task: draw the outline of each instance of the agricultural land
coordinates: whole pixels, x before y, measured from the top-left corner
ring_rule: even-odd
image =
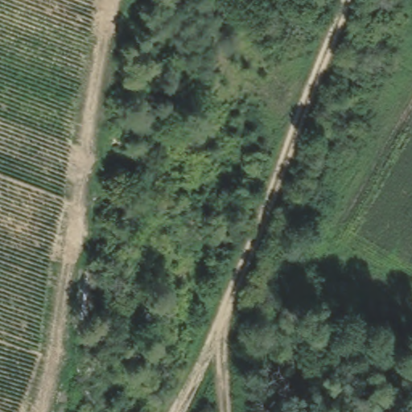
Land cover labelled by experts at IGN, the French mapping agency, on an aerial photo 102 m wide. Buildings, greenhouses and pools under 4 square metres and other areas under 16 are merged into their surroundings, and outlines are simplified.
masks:
[[[338,177],[338,182],[332,185],[336,192],[335,208],[328,208],[327,204],[322,203],[317,209],[322,212],[319,232],[323,240],[320,240],[312,251],[312,254],[320,259],[317,267],[317,274],[320,277],[333,274],[335,277],[344,278],[354,290],[359,291],[370,311],[383,312],[396,320],[401,327],[412,328],[412,82],[399,93],[399,97],[389,106],[385,116],[377,113],[370,121],[372,127],[367,134],[372,138],[369,140],[369,148],[356,150],[354,154],[357,159],[352,171],[343,172]]]

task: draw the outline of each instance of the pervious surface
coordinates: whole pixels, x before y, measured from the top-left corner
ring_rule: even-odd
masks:
[[[74,188],[71,200],[64,200],[61,206],[60,216],[56,219],[55,238],[50,249],[51,261],[61,262],[61,269],[55,288],[47,360],[32,412],[48,412],[51,394],[60,373],[61,357],[64,354],[63,333],[66,330],[68,288],[72,280],[72,269],[79,259],[82,243],[87,238],[85,188],[89,175],[93,172],[93,164],[97,161],[95,116],[100,101],[101,80],[108,58],[109,43],[114,35],[114,16],[119,10],[121,0],[93,0],[93,6],[97,11],[93,13],[92,32],[97,37],[97,42],[93,47],[92,71],[87,85],[79,143],[76,145],[68,140],[66,179],[74,183]]]
[[[335,66],[330,63],[330,58],[333,51],[340,50],[341,43],[348,39],[348,31],[341,26],[344,23],[344,3],[349,0],[340,0],[336,5],[335,18],[323,35],[319,55],[315,58],[314,66],[307,77],[299,98],[301,105],[293,106],[290,111],[293,126],[288,127],[286,132],[282,150],[275,161],[274,172],[270,174],[269,183],[264,190],[264,195],[269,200],[256,212],[256,217],[261,219],[256,237],[253,243],[245,241],[243,245],[246,251],[241,254],[240,266],[233,270],[233,282],[225,286],[216,319],[209,328],[200,357],[196,360],[187,385],[180,389],[169,412],[188,412],[209,362],[216,364],[219,412],[232,412],[227,335],[232,317],[233,288],[241,291],[248,288],[249,277],[257,269],[257,254],[269,246],[267,237],[270,224],[274,220],[275,209],[278,208],[277,201],[282,196],[285,198],[283,192],[288,183],[303,180],[304,174],[309,171],[307,164],[293,158],[293,138],[295,130],[299,134],[306,132],[309,119],[314,116],[317,101],[330,87]]]

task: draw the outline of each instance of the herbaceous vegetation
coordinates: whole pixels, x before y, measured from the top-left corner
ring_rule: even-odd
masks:
[[[286,132],[288,127],[293,126],[290,111],[293,106],[301,105],[299,98],[307,77],[288,79],[275,61],[264,60],[256,45],[251,42],[240,43],[233,37],[237,50],[249,61],[249,68],[243,69],[240,64],[230,64],[224,72],[214,76],[214,85],[211,87],[216,103],[241,98],[245,93],[248,97],[257,97],[266,101],[267,108],[277,114],[277,126]]]

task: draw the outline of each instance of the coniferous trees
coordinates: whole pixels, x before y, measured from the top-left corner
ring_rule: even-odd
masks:
[[[124,68],[124,87],[127,90],[134,90],[135,100],[127,101],[127,105],[124,108],[117,108],[117,111],[126,117],[121,122],[127,129],[134,130],[135,134],[146,135],[151,127],[153,130],[161,130],[164,126],[180,127],[187,121],[188,116],[204,119],[206,114],[216,109],[216,103],[211,87],[204,85],[203,80],[192,79],[187,72],[172,66],[164,66],[161,69],[156,60],[158,51],[153,48],[154,43],[159,40],[153,35],[137,50],[126,50],[122,47],[122,55],[126,56],[127,60]]]

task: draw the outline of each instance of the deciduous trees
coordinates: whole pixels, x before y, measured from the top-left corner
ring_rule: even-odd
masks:
[[[117,111],[117,108],[124,108],[127,105],[127,101],[135,100],[134,90],[127,90],[124,87],[124,68],[127,60],[126,56],[122,55],[122,47],[126,50],[137,50],[153,35],[159,40],[154,43],[153,48],[158,51],[156,60],[161,69],[164,66],[172,66],[187,72],[192,79],[203,80],[204,85],[211,87],[214,85],[214,76],[224,72],[230,64],[240,64],[243,69],[249,68],[249,61],[237,50],[233,37],[240,43],[251,42],[256,45],[264,60],[275,61],[288,79],[307,77],[314,66],[315,58],[319,55],[323,35],[335,18],[336,5],[340,0],[121,0],[119,10],[114,16],[114,35],[109,43],[108,58],[101,80],[100,101],[95,116],[97,161],[93,164],[93,172],[89,175],[85,188],[87,238],[82,243],[79,259],[72,269],[72,280],[68,288],[66,330],[63,333],[64,354],[61,357],[60,373],[51,394],[48,412],[169,412],[180,389],[187,385],[196,360],[200,357],[209,328],[216,319],[225,286],[233,282],[233,270],[240,266],[241,254],[246,251],[243,245],[245,241],[253,243],[256,237],[261,219],[256,217],[256,212],[269,200],[264,195],[264,190],[269,183],[270,174],[274,172],[275,161],[282,150],[286,132],[277,126],[277,114],[267,108],[266,101],[257,97],[248,97],[245,93],[241,98],[216,103],[216,109],[206,114],[204,119],[188,116],[187,121],[180,127],[164,126],[161,130],[153,130],[151,127],[146,135],[135,134],[134,130],[127,129],[121,122],[126,117]]]
[[[188,412],[219,412],[216,364],[209,362]]]
[[[282,196],[277,201],[278,208],[275,209],[274,220],[270,224],[267,237],[269,246],[257,254],[257,269],[249,277],[248,288],[241,291],[233,288],[232,317],[227,335],[232,412],[412,412],[412,328],[401,327],[396,320],[383,312],[370,311],[359,291],[354,290],[344,278],[335,277],[333,274],[320,277],[317,274],[317,267],[320,259],[312,254],[312,251],[320,240],[323,240],[319,232],[322,212],[317,209],[322,203],[327,204],[328,208],[335,208],[336,192],[332,185],[338,182],[338,177],[343,172],[352,171],[357,159],[354,154],[356,150],[369,148],[369,140],[372,138],[367,134],[372,127],[370,121],[377,113],[385,116],[389,106],[399,97],[399,93],[412,82],[412,0],[349,0],[344,3],[344,23],[341,26],[348,31],[348,39],[341,43],[340,50],[333,51],[330,58],[330,63],[335,66],[330,87],[317,101],[314,116],[309,119],[306,132],[299,134],[295,130],[293,138],[293,158],[307,164],[309,171],[304,174],[303,180],[288,183],[283,192],[285,198]]]

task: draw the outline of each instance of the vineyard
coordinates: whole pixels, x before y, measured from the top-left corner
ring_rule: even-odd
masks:
[[[47,360],[55,288],[61,269],[61,262],[51,261],[50,249],[55,238],[56,219],[60,216],[61,206],[64,200],[71,200],[74,188],[74,183],[66,179],[68,140],[76,145],[79,143],[87,85],[92,71],[93,47],[97,42],[97,37],[92,32],[93,13],[97,11],[93,6],[93,0],[0,0],[0,412],[32,412]]]

